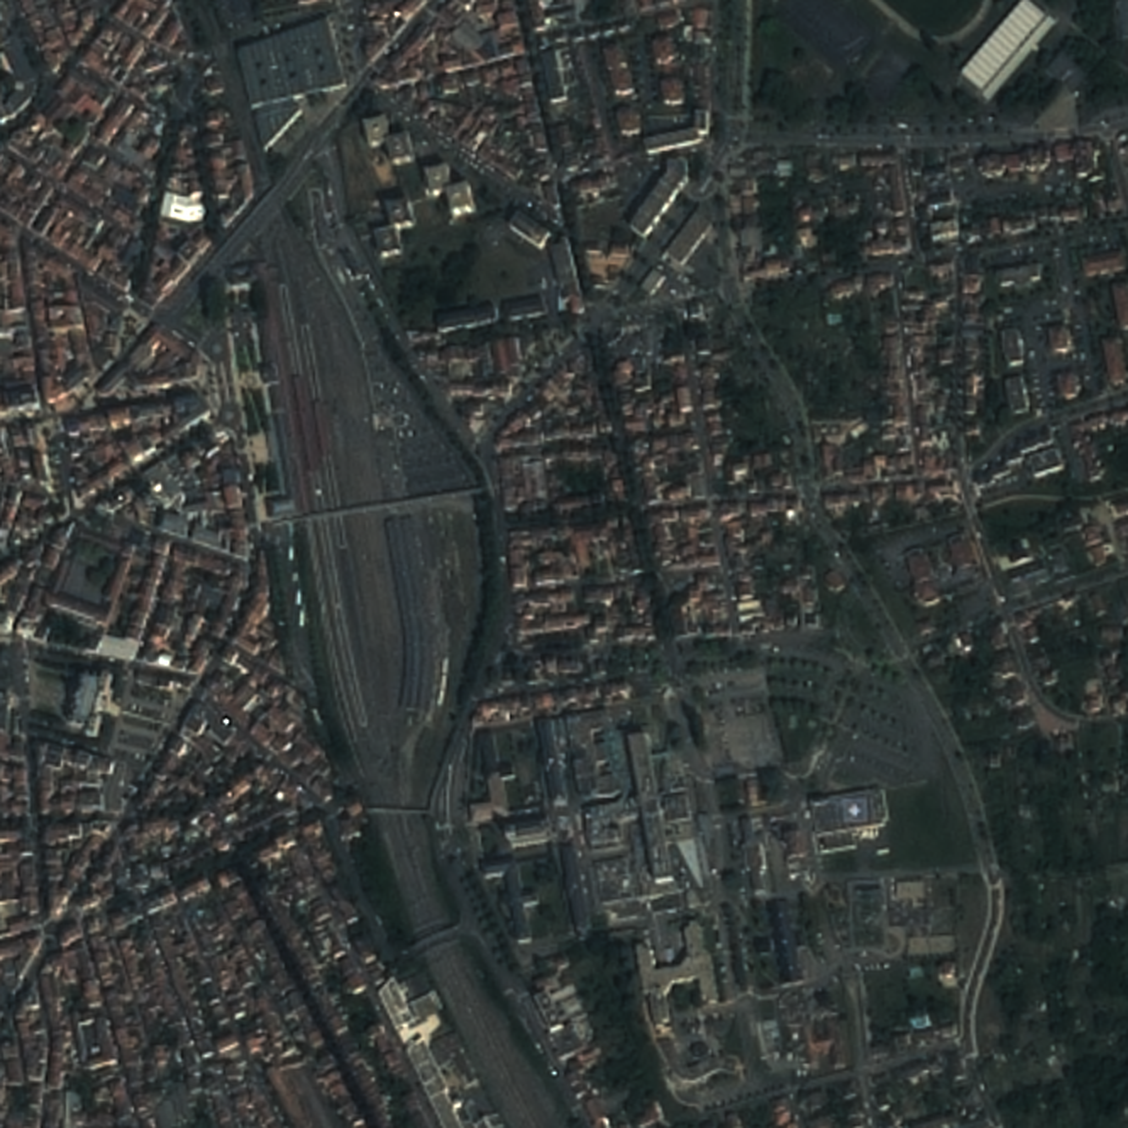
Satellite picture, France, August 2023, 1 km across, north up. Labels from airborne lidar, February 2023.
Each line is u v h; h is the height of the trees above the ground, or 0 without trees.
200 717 0
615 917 0
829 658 0
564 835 0
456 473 0
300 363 0
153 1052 6
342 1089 0
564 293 0
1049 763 19
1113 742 0
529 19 17
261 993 11
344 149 0
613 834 0
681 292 0
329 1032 12
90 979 0
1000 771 8
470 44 0
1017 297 6
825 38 0
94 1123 0
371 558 0
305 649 0
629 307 0
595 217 0
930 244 9
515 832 0
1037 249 0
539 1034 0
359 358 0
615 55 0
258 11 9
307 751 0
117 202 0
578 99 0
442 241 0
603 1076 7
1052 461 0
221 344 0
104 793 0
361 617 0
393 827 0
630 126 0
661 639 16
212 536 0
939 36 0
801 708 12
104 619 0
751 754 0
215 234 14
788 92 19
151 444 0
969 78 0
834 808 0
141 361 0
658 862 0
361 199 0
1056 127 0
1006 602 0
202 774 0
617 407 18
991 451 0
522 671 20
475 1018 0
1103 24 12
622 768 0
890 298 6
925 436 0
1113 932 14
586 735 0
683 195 6
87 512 0
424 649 0
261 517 0
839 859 0
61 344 0
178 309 0
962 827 0
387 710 0
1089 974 12
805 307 0
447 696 0
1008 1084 0
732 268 0
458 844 0
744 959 11
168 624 0
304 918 8
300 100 0
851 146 0
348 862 0
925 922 0
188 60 0
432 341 9
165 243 0
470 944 0
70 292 0
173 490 0
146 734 0
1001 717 0
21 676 0
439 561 0
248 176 0
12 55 0
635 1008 16
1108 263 0
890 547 0
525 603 0
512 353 0
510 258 0
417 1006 0
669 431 7
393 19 0
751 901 0
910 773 0
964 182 0
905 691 0
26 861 0
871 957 0
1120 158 0
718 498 0
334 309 0
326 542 0
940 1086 8
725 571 0
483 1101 0
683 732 17
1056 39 0
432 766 0
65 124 13
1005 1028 0
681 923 5
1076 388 0
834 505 0
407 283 9
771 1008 0
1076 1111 0
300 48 0
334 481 0
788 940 0
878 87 0
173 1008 0
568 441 6
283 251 0
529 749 14
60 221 0
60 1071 0
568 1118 0
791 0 0
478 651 13
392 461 0
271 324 0
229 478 0
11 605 0
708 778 0
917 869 0
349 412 0
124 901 15
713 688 0
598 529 0
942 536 0
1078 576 0
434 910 0
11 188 0
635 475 18
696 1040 0
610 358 15
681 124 0
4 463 0
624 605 10
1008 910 0
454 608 0
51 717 7
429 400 9
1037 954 0
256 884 15
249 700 0
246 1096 0
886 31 0
